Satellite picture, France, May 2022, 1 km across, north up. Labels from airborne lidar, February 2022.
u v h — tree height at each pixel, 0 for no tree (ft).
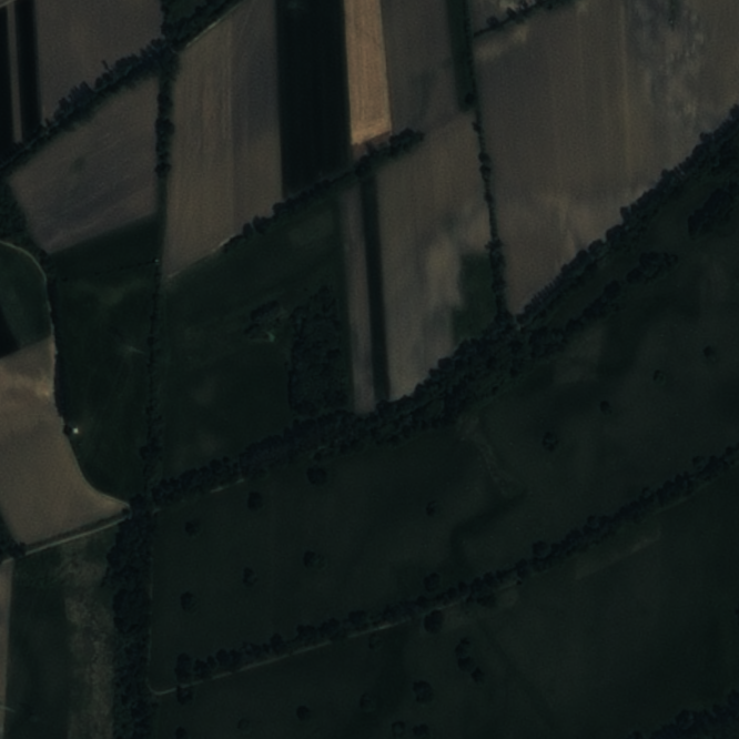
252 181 0
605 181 0
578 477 0
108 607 0
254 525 0
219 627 0
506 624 0
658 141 0
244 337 0
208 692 0
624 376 0
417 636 0
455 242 0
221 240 0
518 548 0
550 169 0
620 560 0
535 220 0
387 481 0
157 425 33
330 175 0
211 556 0
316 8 0
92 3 0
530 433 0
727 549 0
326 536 0
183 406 0
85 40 0
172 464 0
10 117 0
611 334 0
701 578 0
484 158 37
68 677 0
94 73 0
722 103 0
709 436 0
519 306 0
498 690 0
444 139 0
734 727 103
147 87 0
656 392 0
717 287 0
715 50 0
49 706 0
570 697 0
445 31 0
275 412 0
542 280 0
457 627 0
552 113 0
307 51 0
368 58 0
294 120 0
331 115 0
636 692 0
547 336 63
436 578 42
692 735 80
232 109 0
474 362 55
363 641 0
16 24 0
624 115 0
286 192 0
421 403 43
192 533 51
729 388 0
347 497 0
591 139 0
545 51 0
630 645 0
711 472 54
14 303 0
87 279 0
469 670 57
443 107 0
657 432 0
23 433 0
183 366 0
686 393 0
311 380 68
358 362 0
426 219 0
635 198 0
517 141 0
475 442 0
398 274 0
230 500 0
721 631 0
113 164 0
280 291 0
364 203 0
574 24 0
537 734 0
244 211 0
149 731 63
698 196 0
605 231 0
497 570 0
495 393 25
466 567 0
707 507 0
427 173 0
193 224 0
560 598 0
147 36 0
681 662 0
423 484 0
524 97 0
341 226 0
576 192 0
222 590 0
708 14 0
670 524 0
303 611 0
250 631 0
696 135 0
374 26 0
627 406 0
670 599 0
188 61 0
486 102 0
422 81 0
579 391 0
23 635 0
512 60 0
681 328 0
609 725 0
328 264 0
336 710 0
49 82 0
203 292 0
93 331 0
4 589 0
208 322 0
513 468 0
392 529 0
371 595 0
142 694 58
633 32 0
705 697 0
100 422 0
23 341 0
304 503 0
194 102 0
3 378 0
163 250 0
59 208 0
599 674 0
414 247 0
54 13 0
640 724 0
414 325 0
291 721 0
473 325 0
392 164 0
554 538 0
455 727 0
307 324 51
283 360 0
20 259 0
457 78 0
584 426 0
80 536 0
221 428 0
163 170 33
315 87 0
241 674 0
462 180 0
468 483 0
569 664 0
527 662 0
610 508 0
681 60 0
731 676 0
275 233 0
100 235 0
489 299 0
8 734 0
